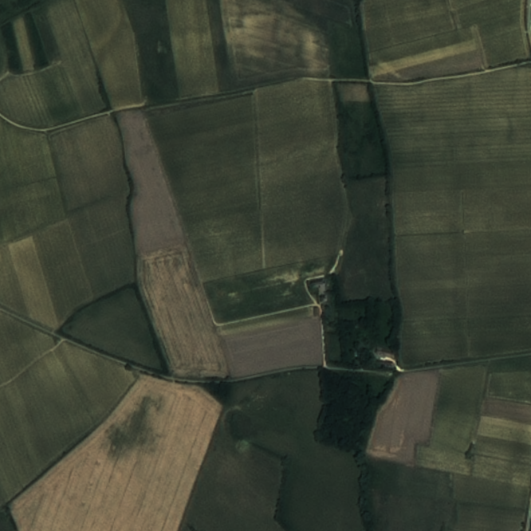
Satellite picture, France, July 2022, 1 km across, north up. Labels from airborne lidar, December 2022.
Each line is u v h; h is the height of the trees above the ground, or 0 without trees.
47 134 0
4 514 0
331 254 0
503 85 0
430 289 0
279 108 0
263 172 0
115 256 0
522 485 0
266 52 0
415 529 0
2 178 0
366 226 0
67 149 0
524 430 0
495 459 0
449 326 0
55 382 0
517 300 0
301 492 0
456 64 0
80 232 0
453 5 0
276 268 0
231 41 0
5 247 0
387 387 9
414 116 0
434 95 0
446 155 0
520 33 0
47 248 0
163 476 0
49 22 0
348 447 15
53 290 0
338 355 0
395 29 0
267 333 0
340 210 0
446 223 0
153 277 0
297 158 0
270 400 0
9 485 0
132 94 0
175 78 0
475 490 0
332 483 0
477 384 0
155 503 0
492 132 0
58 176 0
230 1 0
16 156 0
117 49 0
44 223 0
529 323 0
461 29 0
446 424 0
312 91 0
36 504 0
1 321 0
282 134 0
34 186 0
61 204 0
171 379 0
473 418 0
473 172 0
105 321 0
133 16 0
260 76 0
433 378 0
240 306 0
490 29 0
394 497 0
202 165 0
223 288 0
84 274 0
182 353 0
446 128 0
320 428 6
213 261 0
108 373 0
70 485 0
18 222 0
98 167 0
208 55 0
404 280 0
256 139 0
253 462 0
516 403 0
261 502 0
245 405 0
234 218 0
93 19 0
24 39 0
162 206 0
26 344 0
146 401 0
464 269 0
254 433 0
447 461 0
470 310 0
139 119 0
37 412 0
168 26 0
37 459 0
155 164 0
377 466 0
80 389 0
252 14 0
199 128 0
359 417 20
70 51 0
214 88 0
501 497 0
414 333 0
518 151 0
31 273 0
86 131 0
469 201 0
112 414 0
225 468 0
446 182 0
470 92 0
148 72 0
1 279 0
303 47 0
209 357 0
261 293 0
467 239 0
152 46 0
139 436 0
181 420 0
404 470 0
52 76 0
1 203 0
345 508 0
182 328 0
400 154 0
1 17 0
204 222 0
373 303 11
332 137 0
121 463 0
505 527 0
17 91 0
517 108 0
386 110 0
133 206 0
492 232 0
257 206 0
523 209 0
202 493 0
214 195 0
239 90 0
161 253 0
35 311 0
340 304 10
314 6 0
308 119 0
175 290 0
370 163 0
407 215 0
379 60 0
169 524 0
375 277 0
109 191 0
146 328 0
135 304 0
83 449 0
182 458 0
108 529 0
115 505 0
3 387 0
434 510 0
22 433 0
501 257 0
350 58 0
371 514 12
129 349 0
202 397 0
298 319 0
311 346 0
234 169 0
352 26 0
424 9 0
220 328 0
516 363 0
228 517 0
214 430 0
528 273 0
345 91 0
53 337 0
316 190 0
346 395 17
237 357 0
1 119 0
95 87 0
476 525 0
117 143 0
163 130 0
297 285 0
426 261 0
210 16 0
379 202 0
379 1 0
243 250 0
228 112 0
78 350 0
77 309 0
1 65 0
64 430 0
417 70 0
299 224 0
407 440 0
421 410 0
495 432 0
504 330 0
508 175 0
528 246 0
